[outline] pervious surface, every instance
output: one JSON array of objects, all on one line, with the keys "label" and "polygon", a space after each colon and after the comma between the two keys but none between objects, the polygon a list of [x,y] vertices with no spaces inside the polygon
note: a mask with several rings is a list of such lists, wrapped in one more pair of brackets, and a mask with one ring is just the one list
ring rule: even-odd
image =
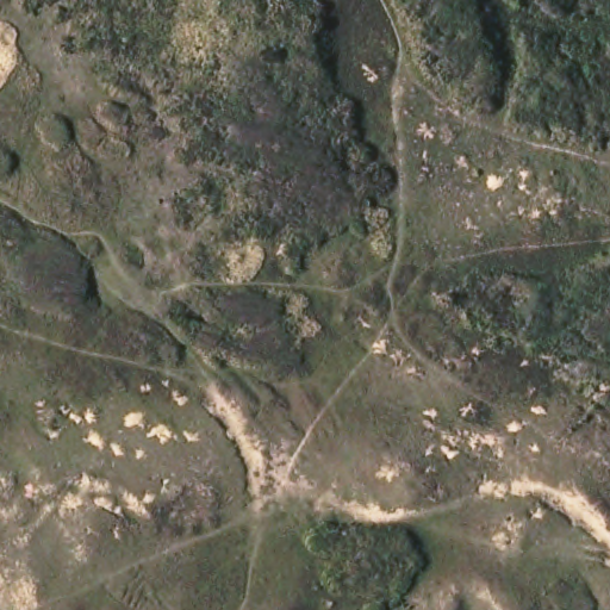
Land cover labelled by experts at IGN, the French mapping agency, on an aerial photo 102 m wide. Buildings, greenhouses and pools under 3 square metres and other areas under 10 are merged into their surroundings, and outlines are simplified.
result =
[{"label": "pervious surface", "polygon": [[293,455],[288,455],[286,438],[279,446],[267,441],[260,443],[257,436],[250,436],[245,431],[243,412],[224,398],[217,384],[207,386],[210,410],[226,419],[229,434],[238,441],[243,450],[253,493],[253,512],[262,512],[264,503],[269,500],[295,496],[310,498],[315,503],[315,512],[346,512],[362,522],[403,522],[405,508],[386,512],[379,505],[360,505],[338,498],[336,481],[329,484],[326,491],[322,491],[317,484],[307,481],[305,474],[295,467],[295,462],[312,441],[315,427],[305,427],[305,434],[300,436]]},{"label": "pervious surface", "polygon": [[565,510],[572,519],[581,519],[593,531],[593,536],[603,541],[610,550],[610,529],[603,512],[581,491],[567,491],[534,479],[515,479],[503,484],[484,481],[479,486],[481,493],[496,498],[512,493],[539,493],[548,498],[555,508]]}]

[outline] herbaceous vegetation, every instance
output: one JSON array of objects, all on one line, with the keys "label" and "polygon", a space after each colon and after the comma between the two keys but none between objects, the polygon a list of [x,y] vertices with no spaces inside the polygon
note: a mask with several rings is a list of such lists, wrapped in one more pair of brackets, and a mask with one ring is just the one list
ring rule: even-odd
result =
[{"label": "herbaceous vegetation", "polygon": [[[117,88],[114,83],[102,81],[100,74],[91,74],[91,64],[98,62],[98,55],[93,50],[62,50],[64,38],[71,33],[71,24],[62,24],[57,19],[57,5],[52,0],[0,0],[0,24],[10,26],[17,36],[14,67],[0,88],[0,205],[19,212],[33,226],[48,226],[74,238],[83,257],[93,253],[91,238],[98,238],[105,248],[105,255],[93,264],[98,291],[102,298],[102,303],[95,307],[93,303],[57,303],[52,293],[48,295],[45,291],[31,293],[33,286],[29,281],[19,284],[17,255],[5,253],[0,243],[0,577],[14,581],[31,581],[36,586],[38,598],[36,610],[291,610],[295,600],[303,596],[303,586],[298,584],[298,577],[303,572],[300,555],[307,548],[312,548],[315,534],[307,529],[307,515],[315,512],[315,503],[310,498],[295,496],[269,500],[264,503],[262,512],[253,512],[253,493],[243,450],[238,441],[229,434],[226,419],[210,410],[207,386],[217,384],[224,398],[243,412],[245,431],[250,436],[257,436],[260,443],[267,441],[279,446],[286,438],[288,455],[293,455],[300,436],[305,434],[305,427],[315,427],[312,441],[295,462],[295,467],[305,474],[307,481],[317,484],[322,491],[326,491],[329,484],[336,481],[338,498],[360,505],[379,505],[386,512],[405,508],[403,522],[417,529],[429,553],[427,577],[410,596],[415,605],[412,610],[436,610],[434,596],[443,584],[455,584],[453,610],[488,610],[481,600],[472,596],[474,581],[486,581],[491,593],[498,596],[498,600],[508,610],[610,610],[610,550],[603,541],[593,536],[593,531],[581,519],[572,519],[565,510],[555,508],[548,498],[539,493],[512,493],[496,498],[481,493],[479,486],[484,481],[503,484],[515,479],[534,479],[567,491],[581,491],[603,512],[610,529],[610,145],[600,150],[598,145],[579,145],[574,129],[550,126],[550,133],[543,133],[534,124],[515,122],[515,107],[531,110],[539,105],[541,95],[536,88],[527,88],[527,79],[536,76],[539,71],[539,60],[529,55],[522,31],[510,31],[508,26],[508,12],[519,7],[517,0],[472,0],[477,5],[481,21],[484,38],[479,43],[484,62],[493,62],[493,67],[498,69],[496,88],[488,102],[500,112],[481,117],[477,110],[460,110],[458,88],[443,81],[441,76],[429,74],[422,52],[422,24],[417,17],[410,17],[405,12],[405,5],[400,0],[181,0],[176,5],[174,17],[176,26],[172,31],[172,43],[179,52],[179,64],[169,67],[172,76],[179,76],[174,93],[162,95],[164,79],[155,79],[153,74],[141,71],[141,83],[150,91],[155,100],[155,114],[169,129],[169,136],[141,145],[138,157],[131,160],[126,148],[126,126],[119,126],[110,117],[110,105],[112,100],[122,100],[131,107],[138,105],[141,98]],[[315,167],[324,143],[338,145],[346,138],[350,138],[353,131],[350,100],[336,100],[329,110],[322,110],[319,102],[310,98],[310,91],[322,81],[322,71],[329,76],[336,69],[341,83],[355,98],[362,100],[367,138],[374,145],[379,145],[381,155],[386,155],[398,172],[396,193],[381,198],[376,207],[369,207],[369,183],[365,179],[341,172],[336,162],[324,169]],[[393,83],[403,86],[403,107],[400,122],[391,124]],[[517,207],[531,207],[531,198],[524,191],[519,191],[522,169],[529,172],[527,183],[531,188],[548,186],[560,195],[558,214],[543,214],[539,219],[527,219],[517,214]],[[229,262],[217,257],[214,253],[224,243],[248,243],[250,238],[257,238],[262,250],[262,262],[257,272],[245,284],[224,286],[222,281],[231,274],[231,269]],[[303,336],[303,331],[293,324],[288,303],[295,295],[305,300],[303,310],[307,312],[307,317],[319,324],[319,331],[315,336]],[[41,429],[36,400],[43,400],[52,410],[50,422],[52,429],[60,434],[57,438],[50,438]],[[62,407],[71,407],[74,412],[91,410],[95,415],[95,434],[102,438],[102,446],[91,446],[86,424],[71,422],[67,415],[62,415]],[[441,436],[431,429],[424,429],[422,424],[424,410],[436,410],[436,424],[450,434],[455,434],[458,429],[472,429],[474,434],[486,431],[500,436],[505,443],[503,455],[496,458],[491,446],[477,446],[455,458],[441,455]],[[110,484],[110,491],[88,491],[79,508],[71,508],[67,515],[60,515],[60,503],[64,500],[64,496],[76,493],[81,477],[105,481]],[[150,493],[153,503],[148,508],[148,515],[133,515],[124,500],[126,493],[133,493],[136,498]],[[522,522],[522,541],[515,555],[508,555],[505,550],[498,550],[493,546],[493,534],[498,534],[503,522]]]}]

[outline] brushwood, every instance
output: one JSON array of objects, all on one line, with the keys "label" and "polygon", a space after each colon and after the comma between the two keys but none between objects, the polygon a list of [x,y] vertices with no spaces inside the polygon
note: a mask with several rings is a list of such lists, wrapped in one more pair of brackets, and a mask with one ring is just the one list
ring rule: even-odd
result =
[{"label": "brushwood", "polygon": [[322,71],[322,81],[310,91],[310,98],[319,102],[322,110],[329,110],[336,100],[350,100],[353,131],[350,138],[346,138],[338,145],[324,143],[315,167],[324,169],[336,162],[341,172],[365,179],[369,183],[369,207],[376,207],[381,198],[396,193],[398,172],[386,155],[381,155],[379,145],[374,145],[367,138],[362,100],[355,98],[341,83],[336,69],[329,76]]},{"label": "brushwood", "polygon": [[222,281],[224,286],[245,284],[257,272],[262,262],[262,250],[257,238],[250,238],[248,243],[224,243],[214,253],[217,257],[229,262],[231,269],[231,274]]},{"label": "brushwood", "polygon": [[307,529],[315,534],[312,548],[307,548],[300,555],[303,572],[298,577],[298,584],[303,586],[303,596],[295,600],[291,610],[412,610],[415,605],[410,596],[427,577],[429,553],[417,529],[403,522],[362,522],[346,512],[315,512],[307,515]]},{"label": "brushwood", "polygon": [[500,112],[488,102],[496,88],[498,69],[493,67],[493,62],[484,62],[479,43],[484,38],[481,21],[477,5],[472,0],[400,0],[405,5],[405,12],[410,17],[417,17],[422,24],[422,52],[429,74],[441,76],[443,81],[458,88],[460,110],[477,110],[481,117]]},{"label": "brushwood", "polygon": [[550,126],[574,129],[579,145],[598,145],[600,150],[610,145],[610,0],[517,0],[519,7],[508,12],[508,26],[510,31],[522,31],[529,55],[539,60],[539,71],[536,76],[527,79],[527,88],[536,88],[541,95],[539,105],[531,110],[515,107],[515,122],[534,124],[543,133],[550,133]]},{"label": "brushwood", "polygon": [[155,100],[150,91],[141,83],[141,71],[153,74],[155,79],[164,79],[162,95],[174,93],[179,76],[172,76],[169,67],[179,64],[179,52],[172,43],[172,31],[176,26],[174,17],[176,5],[181,0],[52,0],[57,5],[57,19],[62,24],[71,24],[71,33],[64,38],[62,50],[93,50],[98,55],[98,62],[91,64],[91,74],[100,74],[102,81],[114,83],[117,88],[141,98],[138,105],[131,107],[122,100],[112,100],[110,105],[110,117],[119,126],[126,126],[126,148],[131,160],[138,157],[141,145],[169,136],[169,129],[155,114]]},{"label": "brushwood", "polygon": [[29,281],[33,286],[31,293],[45,291],[48,295],[52,293],[57,303],[93,303],[95,307],[102,303],[102,298],[98,291],[93,264],[105,255],[105,248],[98,238],[91,238],[93,253],[83,257],[74,238],[48,226],[33,226],[19,212],[0,205],[0,243],[5,253],[17,255],[19,284]]}]

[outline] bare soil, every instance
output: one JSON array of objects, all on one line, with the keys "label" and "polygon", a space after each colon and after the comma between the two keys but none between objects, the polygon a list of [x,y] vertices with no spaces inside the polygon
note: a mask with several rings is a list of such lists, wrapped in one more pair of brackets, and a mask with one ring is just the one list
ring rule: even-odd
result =
[{"label": "bare soil", "polygon": [[453,610],[455,584],[443,584],[434,596],[436,610]]},{"label": "bare soil", "polygon": [[60,515],[67,515],[71,508],[79,508],[88,491],[110,491],[110,484],[105,481],[81,477],[76,493],[64,496],[64,500],[60,503]]},{"label": "bare soil", "polygon": [[41,429],[50,438],[57,438],[60,434],[52,429],[50,422],[52,410],[43,400],[36,400]]},{"label": "bare soil", "polygon": [[36,586],[31,581],[14,581],[0,577],[0,610],[36,610],[38,598]]},{"label": "bare soil", "polygon": [[0,88],[14,67],[17,36],[10,26],[0,24]]},{"label": "bare soil", "polygon": [[91,410],[74,412],[71,407],[62,407],[62,415],[67,415],[71,422],[86,424],[91,446],[102,446],[102,438],[95,434],[95,415]]},{"label": "bare soil", "polygon": [[498,596],[491,593],[486,581],[474,581],[472,596],[481,600],[488,610],[508,610],[498,600]]},{"label": "bare soil", "polygon": [[441,455],[455,458],[477,446],[491,446],[496,458],[503,455],[505,443],[500,436],[486,431],[474,434],[472,429],[458,429],[455,434],[450,434],[436,424],[436,410],[424,410],[422,424],[424,429],[431,429],[441,436]]},{"label": "bare soil", "polygon": [[400,122],[403,107],[403,86],[393,83],[391,124]]},{"label": "bare soil", "polygon": [[548,186],[531,188],[527,183],[529,172],[522,169],[519,191],[524,191],[531,198],[531,207],[517,207],[517,214],[527,219],[539,219],[543,214],[558,214],[560,195]]},{"label": "bare soil", "polygon": [[148,515],[148,508],[153,503],[150,493],[136,498],[133,493],[126,493],[124,500],[133,515]]},{"label": "bare soil", "polygon": [[505,550],[508,555],[515,555],[522,541],[522,522],[503,522],[498,534],[493,534],[493,546],[498,550]]},{"label": "bare soil", "polygon": [[319,324],[307,317],[307,312],[303,310],[305,300],[295,295],[288,303],[293,324],[303,331],[303,336],[315,336],[319,331]]}]

